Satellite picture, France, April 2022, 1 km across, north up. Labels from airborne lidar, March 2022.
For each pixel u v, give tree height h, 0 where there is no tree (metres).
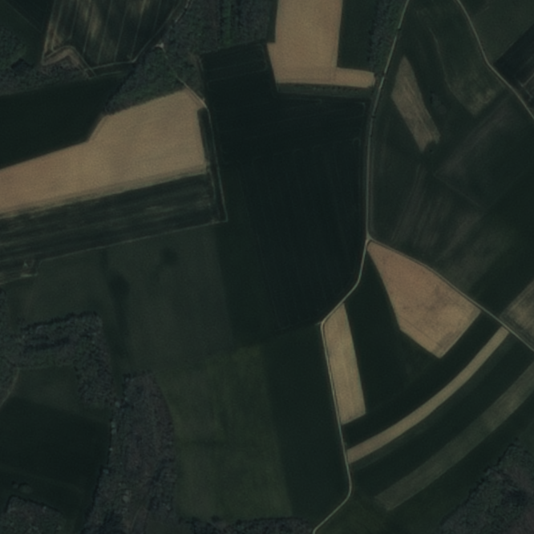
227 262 0
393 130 0
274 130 0
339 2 0
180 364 0
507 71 0
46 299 0
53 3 0
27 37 0
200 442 0
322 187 0
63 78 12
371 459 0
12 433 0
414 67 0
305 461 0
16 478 0
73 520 0
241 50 0
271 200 0
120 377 0
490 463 0
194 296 0
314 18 0
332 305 0
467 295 0
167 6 0
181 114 0
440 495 0
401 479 0
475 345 0
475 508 20
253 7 26
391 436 0
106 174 0
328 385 0
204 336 0
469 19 0
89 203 0
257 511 0
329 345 0
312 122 0
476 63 0
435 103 14
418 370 0
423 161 0
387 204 0
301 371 0
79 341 25
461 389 0
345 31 0
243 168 0
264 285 0
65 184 0
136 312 0
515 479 19
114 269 0
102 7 0
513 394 0
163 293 0
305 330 0
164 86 24
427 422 0
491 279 0
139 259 0
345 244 0
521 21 0
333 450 0
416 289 0
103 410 16
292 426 0
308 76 0
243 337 0
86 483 0
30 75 17
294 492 0
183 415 0
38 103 0
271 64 0
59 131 0
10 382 23
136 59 0
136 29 0
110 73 0
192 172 0
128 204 0
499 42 0
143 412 28
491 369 0
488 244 0
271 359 0
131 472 29
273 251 0
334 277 0
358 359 0
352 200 0
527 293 0
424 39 0
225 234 0
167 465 21
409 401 0
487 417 0
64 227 0
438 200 0
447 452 0
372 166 0
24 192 0
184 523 13
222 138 0
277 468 0
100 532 26
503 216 0
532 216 0
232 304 0
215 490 0
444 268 0
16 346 25
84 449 0
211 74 0
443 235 0
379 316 0
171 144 0
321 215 0
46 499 0
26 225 0
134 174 0
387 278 0
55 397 0
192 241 0
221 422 0
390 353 0
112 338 0
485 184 0
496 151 0
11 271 0
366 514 0
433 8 0
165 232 0
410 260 0
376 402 0
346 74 0
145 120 0
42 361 22
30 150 0
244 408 0
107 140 0
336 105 0
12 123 0
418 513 0
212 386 0
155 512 22
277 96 0
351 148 0
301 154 0
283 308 0
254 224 0
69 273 0
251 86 0
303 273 0
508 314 0
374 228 0
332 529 0
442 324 0
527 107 0
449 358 0
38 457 0
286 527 15
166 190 0
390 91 0
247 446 0
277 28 0
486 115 0
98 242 0
